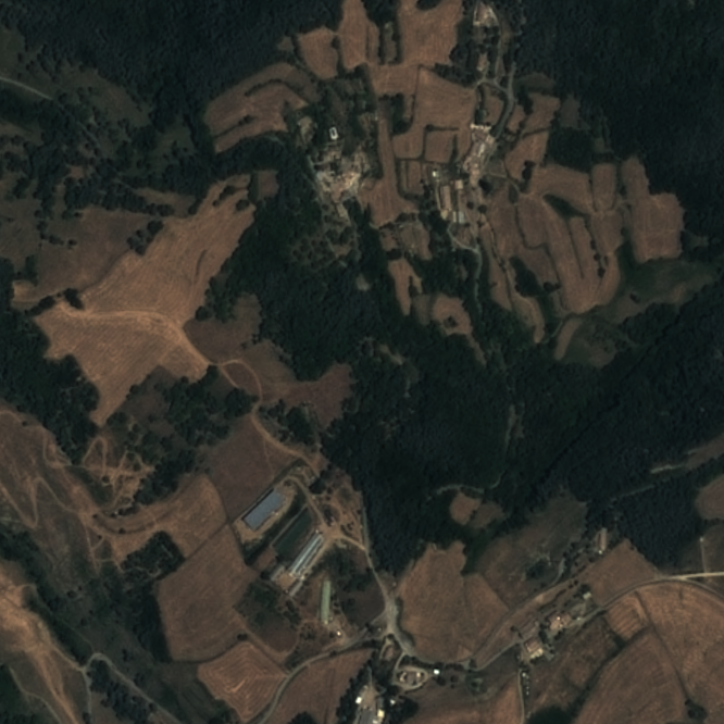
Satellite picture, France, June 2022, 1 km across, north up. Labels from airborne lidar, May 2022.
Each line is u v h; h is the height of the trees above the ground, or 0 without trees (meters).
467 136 0
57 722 0
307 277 13
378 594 0
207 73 17
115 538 0
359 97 6
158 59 15
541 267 0
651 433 15
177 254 0
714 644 0
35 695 0
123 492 0
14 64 0
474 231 0
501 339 10
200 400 10
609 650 0
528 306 0
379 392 15
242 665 0
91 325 0
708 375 14
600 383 18
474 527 0
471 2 12
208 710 0
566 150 7
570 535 0
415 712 10
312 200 14
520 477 13
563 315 0
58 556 0
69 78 0
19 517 0
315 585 0
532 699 0
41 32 18
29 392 12
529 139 0
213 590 0
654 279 0
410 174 0
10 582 0
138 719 11
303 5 14
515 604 0
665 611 0
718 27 16
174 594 0
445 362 14
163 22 16
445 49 0
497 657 0
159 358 0
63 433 17
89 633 0
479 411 17
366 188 0
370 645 6
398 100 6
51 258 0
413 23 0
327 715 0
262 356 0
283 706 0
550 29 7
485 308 9
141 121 0
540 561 0
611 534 6
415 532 15
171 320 0
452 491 8
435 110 0
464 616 0
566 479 14
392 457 6
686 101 18
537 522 0
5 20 10
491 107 0
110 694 18
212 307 10
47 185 20
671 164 15
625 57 17
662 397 8
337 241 9
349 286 21
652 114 15
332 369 11
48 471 0
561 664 0
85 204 20
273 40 17
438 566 0
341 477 0
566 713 0
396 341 10
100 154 13
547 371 14
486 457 15
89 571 0
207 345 0
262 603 6
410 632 0
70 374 9
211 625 0
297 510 8
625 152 6
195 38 18
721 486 0
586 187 0
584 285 0
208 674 0
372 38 0
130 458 7
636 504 16
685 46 17
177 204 0
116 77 10
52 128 10
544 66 16
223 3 18
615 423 10
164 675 0
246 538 0
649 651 0
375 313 20
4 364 11
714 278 0
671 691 0
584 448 13
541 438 16
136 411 0
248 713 0
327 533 0
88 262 0
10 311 15
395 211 0
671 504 15
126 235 0
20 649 0
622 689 0
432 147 0
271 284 21
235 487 0
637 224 0
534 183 0
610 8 16
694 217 16
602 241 0
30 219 0
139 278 0
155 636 10
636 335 15
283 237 13
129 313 0
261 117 0
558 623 0
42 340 15
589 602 0
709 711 0
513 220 0
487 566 0
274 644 0
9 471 0
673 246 0
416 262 7
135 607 7
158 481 15
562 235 0
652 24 15
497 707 0
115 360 0
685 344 20
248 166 18
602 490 15
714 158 13
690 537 13
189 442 10
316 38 0
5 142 14
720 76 13
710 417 15
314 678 0
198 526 0
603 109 10
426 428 15
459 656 0
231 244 0
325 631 0
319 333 17
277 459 0
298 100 0
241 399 19
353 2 0
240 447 0
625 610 0
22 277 16
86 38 18
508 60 9
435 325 9
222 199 7
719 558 0
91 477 0
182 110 26
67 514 0
